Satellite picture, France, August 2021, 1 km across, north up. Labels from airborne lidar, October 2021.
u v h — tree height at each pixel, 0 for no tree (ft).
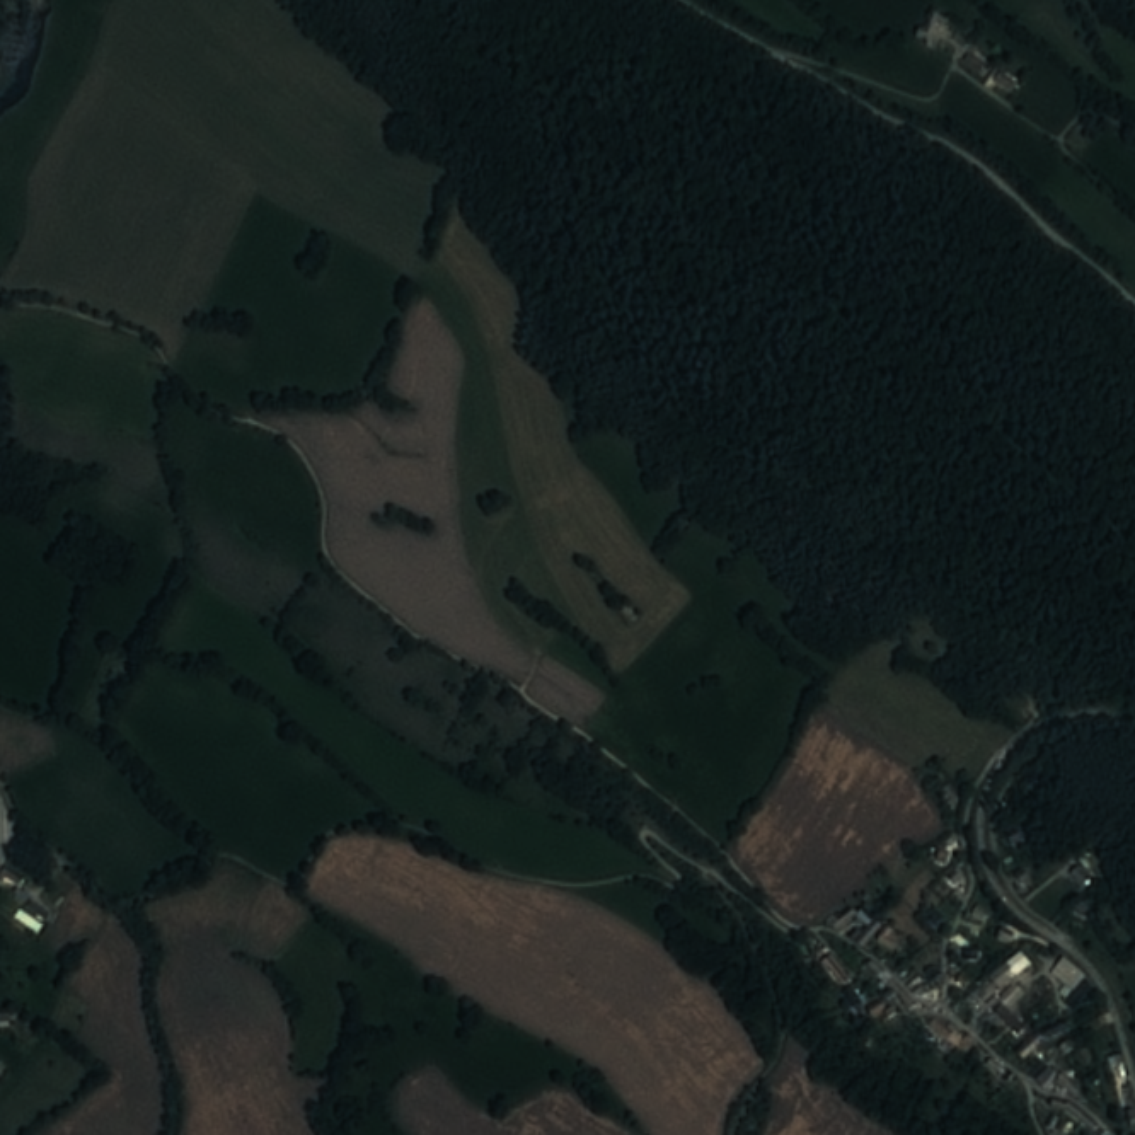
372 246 0
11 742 0
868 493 62
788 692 0
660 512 0
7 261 0
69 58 0
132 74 0
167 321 0
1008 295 65
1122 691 64
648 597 0
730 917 42
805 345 66
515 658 0
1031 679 49
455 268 0
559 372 56
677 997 0
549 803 0
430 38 96
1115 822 49
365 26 78
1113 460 46
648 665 0
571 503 0
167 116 0
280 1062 0
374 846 0
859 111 58
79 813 0
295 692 0
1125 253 0
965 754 0
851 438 66
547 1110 0
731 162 43
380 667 0
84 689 0
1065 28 0
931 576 48
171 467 42
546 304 61
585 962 0
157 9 0
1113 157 0
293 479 0
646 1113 0
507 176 86
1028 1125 22
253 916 0
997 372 77
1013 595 90
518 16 84
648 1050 0
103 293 0
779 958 31
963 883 0
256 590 0
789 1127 0
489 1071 0
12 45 0
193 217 0
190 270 0
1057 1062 0
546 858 0
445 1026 0
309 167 0
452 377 0
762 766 0
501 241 49
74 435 0
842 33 41
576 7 77
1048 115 0
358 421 0
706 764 0
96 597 47
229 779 0
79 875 45
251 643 0
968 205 72
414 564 0
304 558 0
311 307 0
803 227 77
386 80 83
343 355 0
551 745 35
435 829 49
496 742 39
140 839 0
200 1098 0
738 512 42
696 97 71
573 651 0
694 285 81
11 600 0
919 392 72
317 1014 0
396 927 0
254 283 0
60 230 0
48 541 0
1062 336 49
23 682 0
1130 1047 0
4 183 0
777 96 62
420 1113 0
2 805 0
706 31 75
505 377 0
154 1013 46
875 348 83
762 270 87
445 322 0
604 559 0
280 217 0
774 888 0
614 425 50
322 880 0
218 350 0
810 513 60
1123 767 71
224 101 0
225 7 0
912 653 30
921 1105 48
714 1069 0
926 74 0
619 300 75
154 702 0
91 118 0
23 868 64
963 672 48
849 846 0
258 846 0
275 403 35
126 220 0
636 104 46
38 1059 0
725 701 0
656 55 92
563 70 56
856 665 0
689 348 60
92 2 0
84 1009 0
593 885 0
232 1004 0
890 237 67
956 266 56
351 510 0
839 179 88
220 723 0
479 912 0
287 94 0
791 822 0
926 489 60
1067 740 58
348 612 0
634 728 0
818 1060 38
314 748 40
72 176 0
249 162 0
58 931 0
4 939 26
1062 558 75
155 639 61
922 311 78
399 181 0
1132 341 49
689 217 50
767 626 37
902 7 0
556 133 55
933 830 0
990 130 0
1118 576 80
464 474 0
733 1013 39
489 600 0
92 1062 49
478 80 76
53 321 0
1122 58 0
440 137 47
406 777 0
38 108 0
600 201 68
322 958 0
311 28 62
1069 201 0
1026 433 91
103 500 0
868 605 50
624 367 69
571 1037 0
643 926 0
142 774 60
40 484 73
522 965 0
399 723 0
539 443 0
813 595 60
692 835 36
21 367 0
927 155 57
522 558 0
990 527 73
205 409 37
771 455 66
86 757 0
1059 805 51
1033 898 0
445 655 25
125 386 0
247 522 0
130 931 52
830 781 0
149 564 0
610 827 39
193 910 0
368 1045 71
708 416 36
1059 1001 0
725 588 0
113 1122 0
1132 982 0
